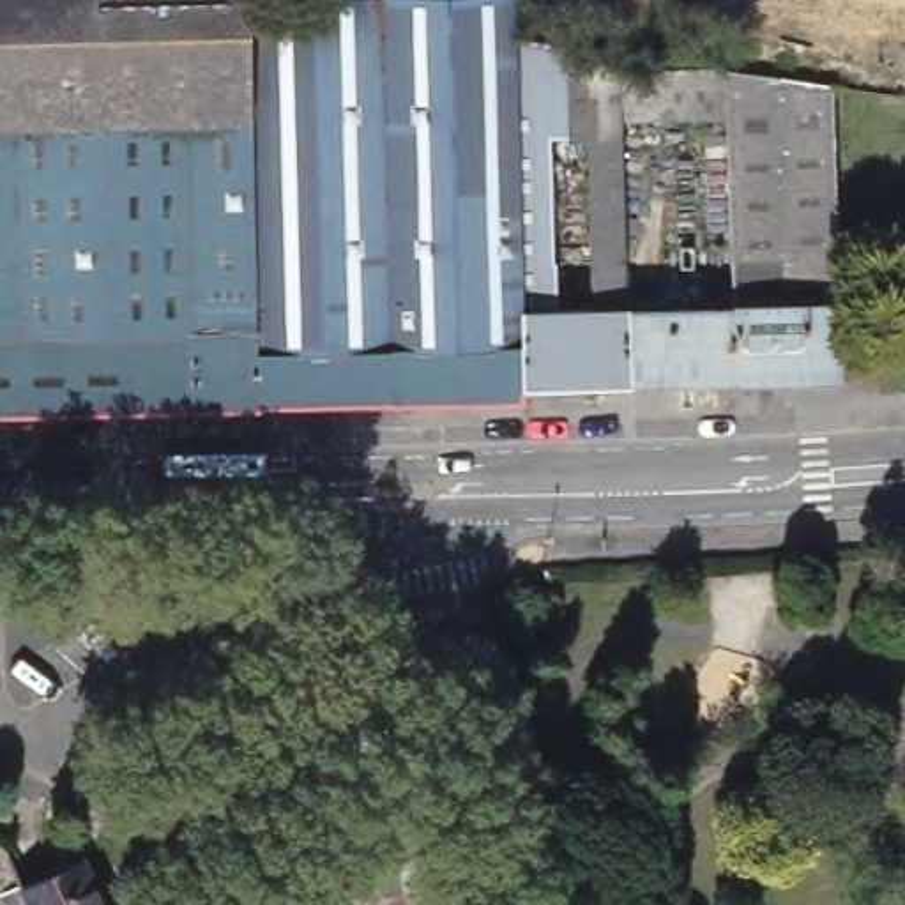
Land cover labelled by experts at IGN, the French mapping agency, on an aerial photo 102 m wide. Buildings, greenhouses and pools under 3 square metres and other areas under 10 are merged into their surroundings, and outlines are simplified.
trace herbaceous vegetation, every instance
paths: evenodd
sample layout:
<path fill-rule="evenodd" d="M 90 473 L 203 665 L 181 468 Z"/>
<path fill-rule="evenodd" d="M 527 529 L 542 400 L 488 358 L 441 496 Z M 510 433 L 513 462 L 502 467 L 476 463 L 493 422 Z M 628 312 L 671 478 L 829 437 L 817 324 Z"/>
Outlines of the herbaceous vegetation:
<path fill-rule="evenodd" d="M 654 626 L 650 605 L 640 590 L 626 594 L 619 580 L 576 580 L 569 590 L 576 594 L 576 601 L 583 615 L 580 633 L 569 647 L 569 665 L 537 665 L 537 675 L 562 679 L 573 700 L 583 693 L 583 686 L 601 689 L 608 675 L 629 679 L 640 689 L 640 703 L 615 718 L 615 735 L 647 757 L 650 774 L 665 788 L 693 785 L 693 884 L 700 894 L 686 905 L 852 905 L 841 884 L 856 870 L 856 859 L 845 852 L 824 848 L 824 863 L 817 870 L 802 873 L 795 887 L 781 891 L 732 877 L 714 859 L 714 841 L 728 831 L 721 824 L 721 806 L 732 806 L 760 781 L 760 757 L 749 742 L 767 728 L 764 703 L 778 700 L 778 689 L 760 679 L 760 700 L 742 703 L 742 689 L 732 682 L 725 707 L 714 718 L 700 718 L 696 668 L 711 654 L 714 619 L 707 626 Z"/>
<path fill-rule="evenodd" d="M 771 559 L 721 559 L 703 562 L 703 573 L 711 580 L 764 573 L 771 569 Z"/>
<path fill-rule="evenodd" d="M 870 392 L 905 392 L 905 368 L 880 368 L 873 378 L 859 378 Z"/>
<path fill-rule="evenodd" d="M 870 244 L 873 251 L 905 247 L 905 99 L 834 88 L 838 209 L 831 223 L 852 233 L 856 244 Z"/>
<path fill-rule="evenodd" d="M 806 640 L 781 665 L 792 679 L 781 689 L 795 700 L 838 703 L 852 696 L 863 707 L 894 714 L 894 781 L 884 792 L 884 802 L 905 824 L 905 661 L 866 654 L 845 633 L 848 601 L 859 583 L 859 573 L 870 573 L 877 583 L 891 583 L 898 562 L 884 551 L 848 551 L 841 551 L 841 580 L 834 594 L 831 629 L 817 636 Z"/>

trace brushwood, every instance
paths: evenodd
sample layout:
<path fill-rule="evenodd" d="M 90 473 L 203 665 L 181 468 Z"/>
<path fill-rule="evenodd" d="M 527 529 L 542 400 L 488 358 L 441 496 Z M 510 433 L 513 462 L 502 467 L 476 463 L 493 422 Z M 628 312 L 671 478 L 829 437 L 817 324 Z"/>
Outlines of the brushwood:
<path fill-rule="evenodd" d="M 629 562 L 626 555 L 534 562 L 544 580 L 566 583 L 566 590 L 569 590 L 576 580 L 619 580 L 626 594 L 640 590 L 650 605 L 672 590 L 665 573 L 647 562 Z"/>
<path fill-rule="evenodd" d="M 85 764 L 85 742 L 92 739 L 92 711 L 92 703 L 85 703 L 71 732 L 64 767 L 74 771 Z"/>

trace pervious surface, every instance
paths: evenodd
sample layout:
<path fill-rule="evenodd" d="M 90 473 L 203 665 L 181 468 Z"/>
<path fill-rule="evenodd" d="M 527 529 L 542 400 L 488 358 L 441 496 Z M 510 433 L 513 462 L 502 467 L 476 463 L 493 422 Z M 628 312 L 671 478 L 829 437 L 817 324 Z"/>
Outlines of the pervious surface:
<path fill-rule="evenodd" d="M 703 11 L 746 32 L 760 28 L 760 60 L 735 64 L 735 74 L 795 78 L 834 88 L 905 99 L 905 0 L 672 0 L 679 11 Z"/>
<path fill-rule="evenodd" d="M 714 619 L 711 654 L 696 668 L 700 718 L 714 718 L 725 707 L 732 682 L 742 689 L 742 703 L 760 700 L 760 679 L 778 689 L 781 689 L 792 679 L 781 665 L 806 640 L 817 636 L 806 629 L 785 629 L 774 608 L 771 576 L 764 573 L 711 580 L 707 590 Z"/>

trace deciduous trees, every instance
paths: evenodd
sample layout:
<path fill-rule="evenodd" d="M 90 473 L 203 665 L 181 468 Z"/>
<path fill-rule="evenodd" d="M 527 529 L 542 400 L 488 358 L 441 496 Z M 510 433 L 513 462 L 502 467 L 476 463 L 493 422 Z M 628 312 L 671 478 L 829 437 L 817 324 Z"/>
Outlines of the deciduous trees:
<path fill-rule="evenodd" d="M 576 601 L 576 594 L 569 590 L 566 590 L 544 597 L 537 597 L 534 590 L 516 590 L 513 608 L 523 615 L 523 622 L 537 622 L 548 612 Z"/>
<path fill-rule="evenodd" d="M 647 757 L 615 735 L 615 718 L 640 703 L 640 689 L 629 679 L 608 675 L 601 689 L 583 686 L 583 693 L 573 700 L 537 703 L 534 693 L 523 689 L 520 700 L 509 707 L 470 700 L 435 661 L 417 658 L 410 612 L 378 615 L 357 601 L 357 587 L 350 583 L 350 576 L 364 548 L 339 530 L 336 516 L 322 509 L 286 509 L 279 516 L 272 495 L 244 495 L 230 506 L 223 495 L 187 488 L 177 502 L 163 502 L 141 516 L 117 520 L 106 509 L 99 509 L 95 516 L 74 516 L 28 491 L 11 495 L 7 502 L 0 498 L 0 622 L 18 626 L 21 633 L 39 640 L 74 626 L 113 629 L 117 643 L 127 647 L 138 643 L 145 633 L 170 636 L 216 622 L 237 626 L 233 640 L 219 640 L 219 654 L 233 668 L 219 679 L 216 693 L 205 703 L 177 696 L 156 711 L 127 707 L 127 714 L 117 718 L 99 718 L 92 711 L 92 739 L 85 742 L 85 764 L 74 771 L 74 785 L 88 799 L 88 820 L 67 820 L 49 813 L 39 841 L 60 848 L 81 848 L 95 841 L 99 848 L 106 848 L 113 859 L 103 873 L 110 898 L 117 905 L 686 905 L 700 894 L 693 884 L 693 785 L 665 788 L 650 774 Z"/>
<path fill-rule="evenodd" d="M 650 605 L 654 626 L 707 626 L 714 619 L 707 590 L 711 580 L 703 573 L 703 562 L 721 559 L 771 559 L 771 569 L 764 573 L 771 576 L 774 608 L 785 629 L 806 629 L 817 636 L 831 629 L 834 594 L 841 580 L 841 551 L 848 551 L 848 541 L 838 537 L 838 527 L 813 506 L 802 506 L 792 513 L 785 541 L 771 548 L 703 548 L 696 527 L 675 527 L 654 551 L 626 555 L 629 562 L 647 562 L 665 573 L 672 590 Z"/>
<path fill-rule="evenodd" d="M 269 46 L 311 46 L 318 39 L 336 35 L 339 14 L 346 14 L 354 0 L 230 0 L 240 7 L 244 25 L 251 28 L 251 42 Z"/>
<path fill-rule="evenodd" d="M 824 308 L 831 311 L 831 350 L 845 371 L 859 378 L 873 378 L 880 368 L 905 368 L 905 247 L 873 251 L 870 244 L 856 244 L 852 233 L 831 223 L 831 272 L 824 283 L 831 290 L 831 300 Z"/>
<path fill-rule="evenodd" d="M 866 654 L 905 661 L 905 559 L 898 562 L 891 583 L 877 583 L 870 573 L 859 573 L 859 583 L 848 601 L 845 633 Z"/>
<path fill-rule="evenodd" d="M 668 71 L 735 74 L 735 64 L 760 60 L 760 28 L 746 32 L 703 11 L 679 11 L 672 0 L 516 0 L 513 39 L 523 46 L 548 46 L 566 74 L 590 78 L 612 74 L 633 81 L 640 95 L 650 95 L 654 81 Z"/>
<path fill-rule="evenodd" d="M 824 848 L 845 852 L 856 859 L 856 870 L 841 884 L 852 905 L 905 905 L 905 824 L 884 802 L 884 792 L 894 781 L 894 714 L 863 707 L 852 696 L 838 703 L 795 700 L 781 689 L 778 689 L 778 700 L 764 703 L 767 728 L 749 742 L 760 757 L 760 781 L 732 806 L 721 806 L 721 824 L 728 831 L 714 841 L 714 859 L 732 877 L 781 891 L 795 887 L 802 873 L 817 870 L 824 863 Z"/>

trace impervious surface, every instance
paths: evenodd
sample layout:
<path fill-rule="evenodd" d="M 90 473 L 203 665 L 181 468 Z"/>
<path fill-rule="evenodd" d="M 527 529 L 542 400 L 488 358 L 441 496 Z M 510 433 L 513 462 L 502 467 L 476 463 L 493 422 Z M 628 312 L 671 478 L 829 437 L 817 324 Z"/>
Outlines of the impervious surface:
<path fill-rule="evenodd" d="M 696 527 L 703 548 L 771 548 L 785 541 L 792 513 L 802 506 L 813 506 L 838 527 L 838 537 L 848 541 L 848 551 L 884 551 L 898 562 L 905 559 L 905 392 L 870 392 L 859 378 L 845 371 L 838 385 L 675 385 L 643 389 L 636 396 L 615 396 L 608 407 L 601 407 L 597 396 L 516 396 L 495 403 L 378 403 L 375 414 L 223 417 L 219 403 L 166 399 L 152 407 L 148 421 L 95 421 L 92 407 L 81 403 L 46 410 L 39 424 L 0 424 L 0 498 L 7 502 L 11 495 L 28 491 L 74 516 L 95 516 L 99 509 L 106 509 L 117 520 L 141 516 L 163 502 L 177 502 L 187 488 L 223 495 L 230 506 L 244 495 L 272 495 L 279 516 L 286 509 L 322 509 L 336 516 L 339 530 L 364 548 L 350 576 L 350 583 L 357 587 L 357 601 L 378 615 L 410 612 L 417 658 L 435 661 L 470 700 L 509 707 L 520 700 L 523 689 L 534 693 L 537 703 L 573 700 L 562 679 L 537 675 L 537 665 L 569 665 L 569 647 L 580 633 L 583 615 L 576 601 L 548 612 L 537 622 L 523 622 L 523 615 L 513 608 L 516 590 L 534 590 L 537 597 L 544 597 L 566 590 L 566 583 L 544 580 L 534 562 L 626 555 L 654 551 L 675 527 Z"/>
<path fill-rule="evenodd" d="M 597 103 L 590 95 L 590 78 L 566 74 L 569 138 L 551 145 L 559 293 L 530 290 L 523 297 L 527 315 L 824 308 L 831 300 L 831 290 L 824 283 L 732 283 L 725 265 L 725 237 L 707 230 L 707 205 L 728 209 L 728 198 L 703 198 L 696 191 L 703 173 L 728 177 L 718 163 L 725 159 L 725 145 L 718 141 L 725 138 L 725 120 L 619 124 L 619 134 L 605 141 L 597 134 Z"/>
<path fill-rule="evenodd" d="M 92 711 L 99 718 L 117 718 L 127 714 L 127 707 L 156 711 L 177 696 L 205 703 L 216 693 L 219 679 L 233 668 L 219 654 L 219 640 L 233 640 L 237 626 L 216 622 L 170 636 L 145 633 L 138 643 L 127 647 L 117 643 L 113 629 L 74 626 L 39 640 L 21 633 L 18 626 L 0 622 L 0 905 L 28 905 L 14 863 L 39 841 L 49 813 L 67 820 L 88 820 L 88 799 L 74 785 L 74 771 L 64 767 L 71 732 L 85 703 L 92 703 Z"/>

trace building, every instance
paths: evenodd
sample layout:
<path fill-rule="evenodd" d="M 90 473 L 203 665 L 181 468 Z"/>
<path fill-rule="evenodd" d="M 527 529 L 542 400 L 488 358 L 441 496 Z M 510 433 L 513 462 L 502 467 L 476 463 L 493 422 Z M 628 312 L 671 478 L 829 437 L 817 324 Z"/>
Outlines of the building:
<path fill-rule="evenodd" d="M 103 873 L 113 859 L 106 848 L 99 848 L 95 841 L 81 848 L 60 848 L 39 841 L 14 863 L 28 905 L 117 905 L 110 898 Z"/>
<path fill-rule="evenodd" d="M 795 78 L 735 74 L 668 71 L 654 81 L 650 95 L 640 95 L 633 81 L 612 74 L 590 78 L 590 95 L 597 103 L 597 134 L 605 141 L 619 134 L 619 124 L 725 120 L 725 138 L 718 141 L 725 145 L 725 159 L 718 163 L 728 177 L 703 173 L 696 191 L 703 198 L 728 198 L 728 209 L 707 205 L 707 230 L 725 237 L 725 265 L 732 283 L 824 283 L 831 272 L 831 223 L 838 209 L 834 88 Z"/>
<path fill-rule="evenodd" d="M 527 315 L 523 297 L 530 290 L 559 293 L 551 145 L 569 138 L 566 74 L 548 46 L 523 46 L 513 39 L 516 0 L 354 0 L 346 14 L 339 14 L 336 35 L 318 39 L 311 46 L 269 46 L 251 42 L 251 28 L 244 25 L 240 7 L 230 0 L 0 0 L 0 424 L 39 424 L 46 410 L 81 403 L 92 407 L 95 421 L 148 421 L 152 407 L 166 399 L 219 403 L 223 417 L 375 414 L 378 403 L 495 403 L 516 396 L 597 396 L 601 407 L 608 407 L 615 396 L 636 396 L 643 389 L 675 385 L 838 385 L 845 371 L 831 350 L 831 311 L 824 308 Z"/>

